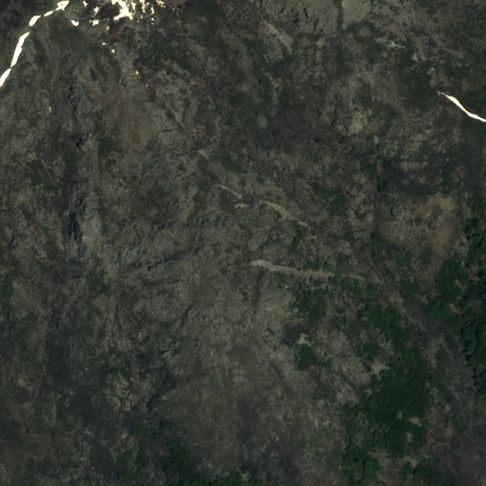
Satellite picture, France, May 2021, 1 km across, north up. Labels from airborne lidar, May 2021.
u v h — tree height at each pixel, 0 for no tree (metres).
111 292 0
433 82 0
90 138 0
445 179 10
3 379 0
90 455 0
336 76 0
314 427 0
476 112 0
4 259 0
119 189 0
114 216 0
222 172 0
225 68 10
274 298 0
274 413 0
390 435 14
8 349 0
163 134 0
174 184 0
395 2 0
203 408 0
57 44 0
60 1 0
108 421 0
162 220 0
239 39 0
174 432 0
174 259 0
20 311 0
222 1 0
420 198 0
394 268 0
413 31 0
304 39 0
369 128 0
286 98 0
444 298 8
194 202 0
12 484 0
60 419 0
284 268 0
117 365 0
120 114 0
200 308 0
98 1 0
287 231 0
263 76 0
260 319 0
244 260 0
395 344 8
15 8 0
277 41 0
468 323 8
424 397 9
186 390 0
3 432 0
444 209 0
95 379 0
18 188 0
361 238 0
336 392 0
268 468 0
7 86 0
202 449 0
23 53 0
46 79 0
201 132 6
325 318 0
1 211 0
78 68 0
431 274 0
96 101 0
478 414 0
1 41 0
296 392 0
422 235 0
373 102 0
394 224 0
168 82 0
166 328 0
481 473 0
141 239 0
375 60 0
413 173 0
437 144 0
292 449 0
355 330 0
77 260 0
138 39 0
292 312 0
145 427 9
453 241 0
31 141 0
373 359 14
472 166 0
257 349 0
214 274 0
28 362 0
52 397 0
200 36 0
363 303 14
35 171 0
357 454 7
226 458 0
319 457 0
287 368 0
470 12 9
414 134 0
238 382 0
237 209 0
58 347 0
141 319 0
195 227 0
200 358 0
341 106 0
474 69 0
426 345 0
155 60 0
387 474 0
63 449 0
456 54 0
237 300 0
